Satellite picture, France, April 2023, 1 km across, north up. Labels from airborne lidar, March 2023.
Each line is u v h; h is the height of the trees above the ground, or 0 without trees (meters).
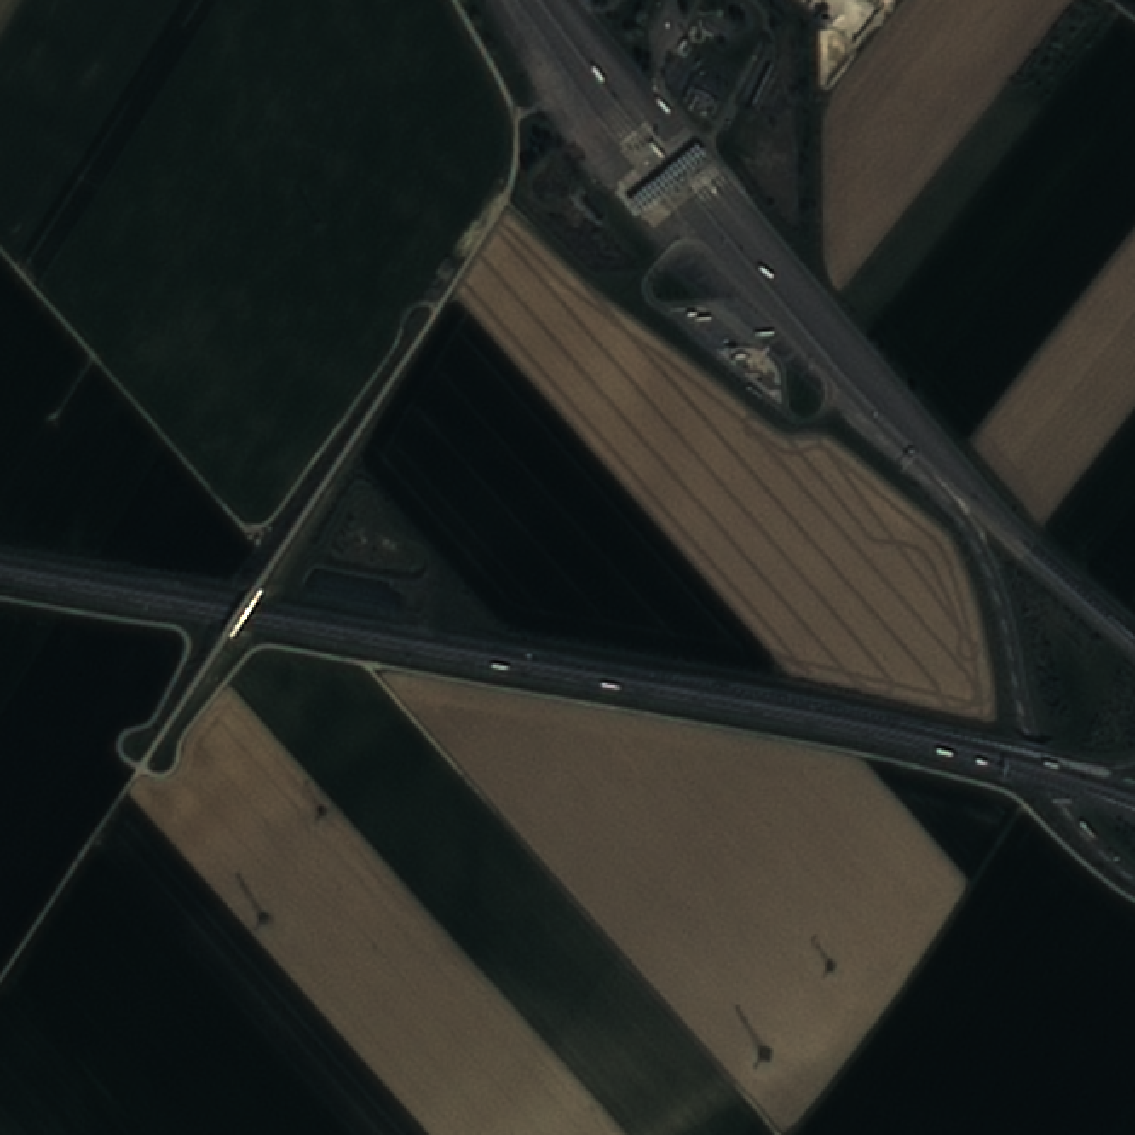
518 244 0
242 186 0
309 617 0
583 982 0
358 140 0
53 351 0
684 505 0
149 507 0
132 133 0
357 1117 0
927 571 0
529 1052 0
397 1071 0
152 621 0
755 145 0
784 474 0
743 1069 0
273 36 0
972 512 0
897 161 0
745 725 0
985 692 0
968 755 0
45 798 0
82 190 0
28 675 0
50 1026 0
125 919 0
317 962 0
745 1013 0
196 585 0
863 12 0
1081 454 0
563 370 0
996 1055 0
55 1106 0
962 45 0
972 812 0
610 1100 0
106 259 0
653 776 0
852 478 0
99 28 0
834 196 0
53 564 0
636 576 0
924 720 0
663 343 0
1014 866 0
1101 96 0
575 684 0
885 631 0
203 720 0
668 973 0
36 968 0
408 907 0
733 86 0
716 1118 0
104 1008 0
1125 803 0
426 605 0
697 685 0
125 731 0
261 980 0
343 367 0
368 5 0
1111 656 0
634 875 0
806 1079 0
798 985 0
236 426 0
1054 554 0
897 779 0
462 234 0
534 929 0
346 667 0
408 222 0
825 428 0
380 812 0
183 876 0
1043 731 0
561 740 0
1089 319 0
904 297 0
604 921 0
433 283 0
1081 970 0
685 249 0
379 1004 0
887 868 0
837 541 0
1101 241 0
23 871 0
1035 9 0
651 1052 0
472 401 0
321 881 0
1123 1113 0
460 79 0
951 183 0
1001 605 0
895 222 0
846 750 0
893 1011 0
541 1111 0
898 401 0
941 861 0
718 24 0
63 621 0
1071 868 0
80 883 0
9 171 0
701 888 0
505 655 0
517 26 0
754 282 0
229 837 0
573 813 0
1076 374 0
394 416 0
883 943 0
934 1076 0
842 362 0
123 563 0
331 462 0
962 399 0
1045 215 0
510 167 0
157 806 0
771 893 0
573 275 0
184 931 0
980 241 0
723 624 0
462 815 0
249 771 0
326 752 0
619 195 0
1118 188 0
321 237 0
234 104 0
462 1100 0
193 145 0
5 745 0
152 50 0
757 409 0
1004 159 0
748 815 0
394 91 0
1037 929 0
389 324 0
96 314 0
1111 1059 0
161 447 0
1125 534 0
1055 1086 0
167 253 0
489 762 0
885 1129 0
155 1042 0
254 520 0
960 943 0
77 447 0
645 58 9
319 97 0
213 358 0
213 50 0
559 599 0
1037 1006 0
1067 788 0
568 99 0
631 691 0
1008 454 0
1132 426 0
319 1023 0
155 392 0
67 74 0
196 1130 0
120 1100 0
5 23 0
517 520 0
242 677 0
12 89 0
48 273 0
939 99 0
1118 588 0
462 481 0
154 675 0
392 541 0
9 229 0
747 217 0
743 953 0
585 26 0
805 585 0
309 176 0
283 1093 0
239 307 0
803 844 0
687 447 0
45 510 0
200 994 0
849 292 0
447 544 0
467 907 0
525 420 0
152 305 0
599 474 0
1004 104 0
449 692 0
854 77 0
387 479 0
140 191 0
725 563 0
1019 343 0
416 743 0
